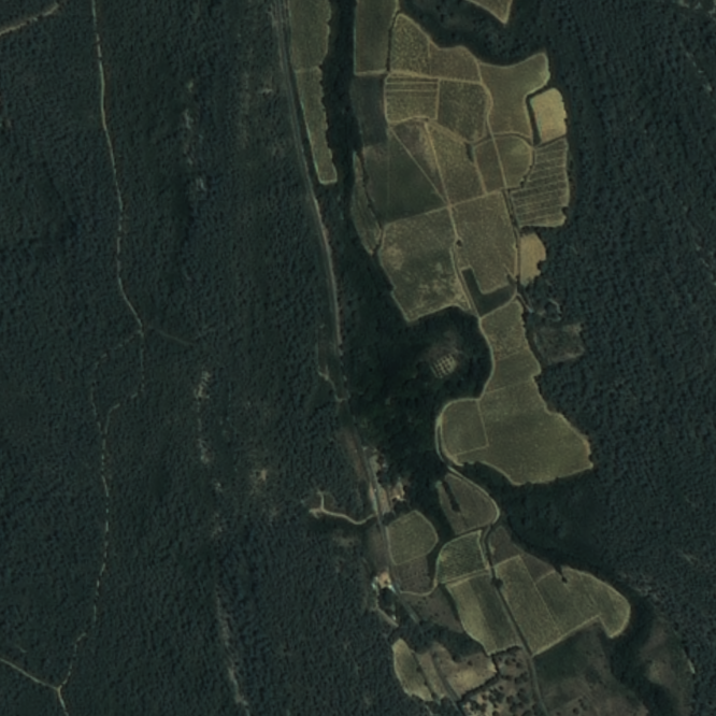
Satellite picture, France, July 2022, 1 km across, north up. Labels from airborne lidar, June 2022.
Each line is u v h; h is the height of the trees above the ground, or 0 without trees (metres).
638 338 14
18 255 20
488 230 0
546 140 0
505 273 0
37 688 11
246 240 11
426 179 0
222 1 18
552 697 0
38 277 13
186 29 17
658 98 12
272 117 13
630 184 11
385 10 0
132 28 9
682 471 8
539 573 0
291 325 16
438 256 0
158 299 11
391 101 0
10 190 13
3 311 15
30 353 5
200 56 16
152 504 14
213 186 11
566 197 0
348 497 11
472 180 0
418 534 0
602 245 9
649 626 6
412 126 0
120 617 12
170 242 14
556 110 0
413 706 12
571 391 16
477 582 0
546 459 0
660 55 15
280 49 0
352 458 0
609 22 14
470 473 12
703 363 9
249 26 7
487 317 0
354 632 15
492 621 0
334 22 10
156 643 17
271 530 15
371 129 0
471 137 0
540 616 0
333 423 21
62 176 14
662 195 10
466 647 13
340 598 14
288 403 11
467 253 0
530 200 0
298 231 13
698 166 16
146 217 10
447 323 7
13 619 14
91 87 6
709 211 13
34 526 17
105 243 11
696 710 12
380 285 10
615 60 11
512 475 0
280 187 21
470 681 0
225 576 12
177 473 13
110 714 9
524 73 0
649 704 11
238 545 15
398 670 0
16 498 14
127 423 9
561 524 8
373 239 0
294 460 16
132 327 11
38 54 12
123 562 10
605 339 16
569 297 16
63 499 14
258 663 15
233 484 6
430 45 0
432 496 13
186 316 15
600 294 10
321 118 0
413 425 7
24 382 10
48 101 5
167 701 14
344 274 11
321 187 9
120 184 8
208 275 14
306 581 16
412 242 0
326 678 16
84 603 9
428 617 0
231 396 7
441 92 0
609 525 8
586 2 14
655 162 7
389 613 7
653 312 15
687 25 13
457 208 0
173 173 12
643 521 16
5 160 7
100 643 10
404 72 0
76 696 9
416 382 13
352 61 6
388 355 14
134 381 9
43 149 15
